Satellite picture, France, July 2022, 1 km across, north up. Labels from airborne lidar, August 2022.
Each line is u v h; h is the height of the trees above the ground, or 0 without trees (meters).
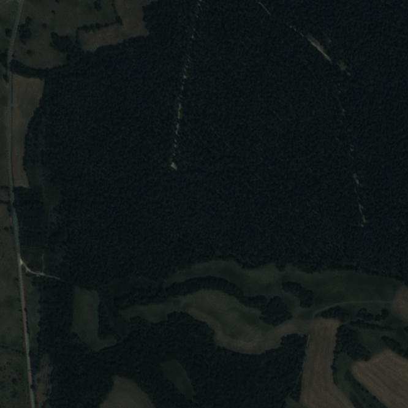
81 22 0
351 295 0
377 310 0
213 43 29
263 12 28
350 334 7
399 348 14
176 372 0
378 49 22
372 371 0
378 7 28
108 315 8
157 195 25
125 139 24
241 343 0
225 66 28
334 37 25
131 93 28
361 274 0
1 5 0
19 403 0
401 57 26
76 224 27
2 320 0
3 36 0
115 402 0
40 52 0
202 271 0
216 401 10
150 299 10
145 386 16
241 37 25
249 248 27
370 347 0
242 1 26
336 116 28
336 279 0
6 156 0
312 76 29
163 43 28
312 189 27
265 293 0
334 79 34
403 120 25
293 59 30
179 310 0
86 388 19
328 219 29
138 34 0
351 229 25
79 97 23
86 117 30
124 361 16
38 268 0
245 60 26
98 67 21
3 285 0
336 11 28
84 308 0
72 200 21
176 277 0
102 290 10
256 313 0
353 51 27
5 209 0
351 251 29
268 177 22
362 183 27
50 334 11
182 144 29
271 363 14
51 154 13
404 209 19
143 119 24
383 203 32
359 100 31
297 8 30
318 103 27
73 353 18
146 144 21
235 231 28
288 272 0
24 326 0
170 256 24
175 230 28
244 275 0
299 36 29
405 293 0
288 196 27
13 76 0
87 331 0
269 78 24
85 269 22
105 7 0
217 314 0
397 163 26
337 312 14
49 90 14
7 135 0
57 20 0
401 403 0
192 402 15
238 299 9
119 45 13
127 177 16
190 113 23
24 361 0
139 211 24
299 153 28
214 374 15
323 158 30
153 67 28
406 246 24
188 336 14
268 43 24
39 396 0
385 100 28
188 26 27
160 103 28
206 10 25
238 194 27
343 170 32
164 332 15
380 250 27
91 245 27
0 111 0
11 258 0
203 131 24
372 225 30
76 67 10
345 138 28
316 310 0
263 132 29
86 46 0
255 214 22
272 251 18
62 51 10
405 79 28
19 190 13
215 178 26
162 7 21
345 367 0
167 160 28
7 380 0
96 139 23
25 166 10
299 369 17
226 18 29
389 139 30
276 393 8
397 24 26
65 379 14
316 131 29
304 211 25
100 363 17
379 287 0
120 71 26
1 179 0
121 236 23
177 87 28
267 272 0
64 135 22
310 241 22
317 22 27
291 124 26
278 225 26
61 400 9
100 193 25
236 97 23
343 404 0
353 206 26
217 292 0
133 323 15
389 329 13
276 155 30
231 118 28
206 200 26
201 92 26
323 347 0
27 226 6
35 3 0
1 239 0
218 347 8
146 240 29
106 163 22
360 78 26
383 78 27
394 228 29
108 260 27
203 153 19
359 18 29
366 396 0
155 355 14
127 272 21
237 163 19
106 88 26
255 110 27
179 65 19
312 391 0
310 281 0
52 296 15
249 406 7
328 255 23
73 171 14
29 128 12
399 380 0
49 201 0
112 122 15
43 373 0
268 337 0
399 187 28
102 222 27
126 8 0
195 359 16
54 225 20
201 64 24
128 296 17
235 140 27
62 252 0
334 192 30
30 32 18
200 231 27
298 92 27
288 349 12
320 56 26
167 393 16
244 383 12
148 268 28
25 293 0
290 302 0
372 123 28
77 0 0
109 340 0
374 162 27
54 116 9
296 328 0
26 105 0
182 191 28
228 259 13
